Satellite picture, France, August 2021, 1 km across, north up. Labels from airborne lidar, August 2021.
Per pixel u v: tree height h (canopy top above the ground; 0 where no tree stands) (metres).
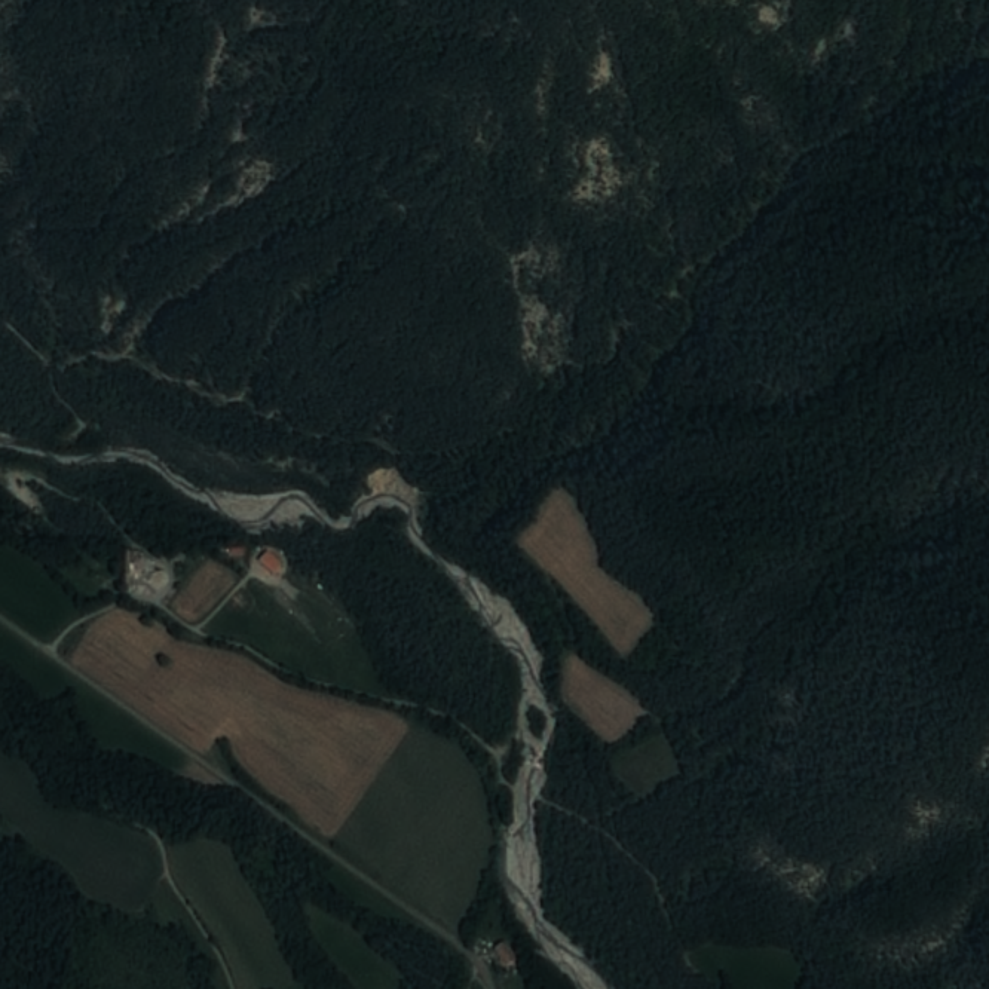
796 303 11
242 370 14
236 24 9
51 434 7
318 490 9
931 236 19
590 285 13
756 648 15
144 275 15
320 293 13
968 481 19
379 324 8
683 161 9
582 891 9
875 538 17
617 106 10
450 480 19
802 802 12
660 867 10
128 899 0
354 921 12
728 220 23
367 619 7
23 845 17
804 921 12
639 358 25
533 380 13
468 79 10
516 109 11
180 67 15
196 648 0
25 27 10
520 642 0
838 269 20
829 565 19
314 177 8
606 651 13
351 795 0
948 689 14
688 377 17
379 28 7
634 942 12
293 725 0
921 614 20
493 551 25
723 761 10
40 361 9
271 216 14
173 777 15
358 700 13
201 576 0
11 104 12
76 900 16
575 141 14
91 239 25
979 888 11
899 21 10
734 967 0
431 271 12
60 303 7
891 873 11
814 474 12
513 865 0
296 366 13
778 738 11
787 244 19
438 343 14
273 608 0
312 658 0
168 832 15
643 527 13
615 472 25
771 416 29
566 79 7
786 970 0
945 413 10
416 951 17
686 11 15
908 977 9
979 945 11
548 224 9
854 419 20
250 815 19
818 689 8
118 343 7
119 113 15
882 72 13
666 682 11
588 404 19
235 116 10
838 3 15
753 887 11
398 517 7
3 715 19
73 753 24
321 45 14
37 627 0
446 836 0
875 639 13
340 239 14
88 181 16
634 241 10
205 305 21
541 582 24
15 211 17
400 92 18
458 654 7
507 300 15
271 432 23
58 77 17
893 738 12
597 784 14
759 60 12
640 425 16
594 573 0
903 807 6
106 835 0
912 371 13
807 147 17
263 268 20
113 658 0
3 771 0
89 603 14
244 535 12
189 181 7
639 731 7
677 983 13
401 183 16
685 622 8
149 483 9
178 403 10
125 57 7
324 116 12
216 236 11
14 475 0
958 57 16
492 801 9
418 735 0
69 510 13
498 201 16
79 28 18
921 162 20
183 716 0
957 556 14
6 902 25
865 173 24
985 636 21
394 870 0
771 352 10
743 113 26
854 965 10
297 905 17
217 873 0
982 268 17
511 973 6
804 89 15
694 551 17
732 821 15
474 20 9
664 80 14
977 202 30
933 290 13
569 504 0
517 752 6
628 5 13
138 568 0
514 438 15
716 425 22
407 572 5
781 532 15
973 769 10
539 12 14
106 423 7
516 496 37
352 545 9
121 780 21
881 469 14
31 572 0
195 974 16
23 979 13
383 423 22
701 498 21
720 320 13
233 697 0
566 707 7
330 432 15
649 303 24
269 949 0
